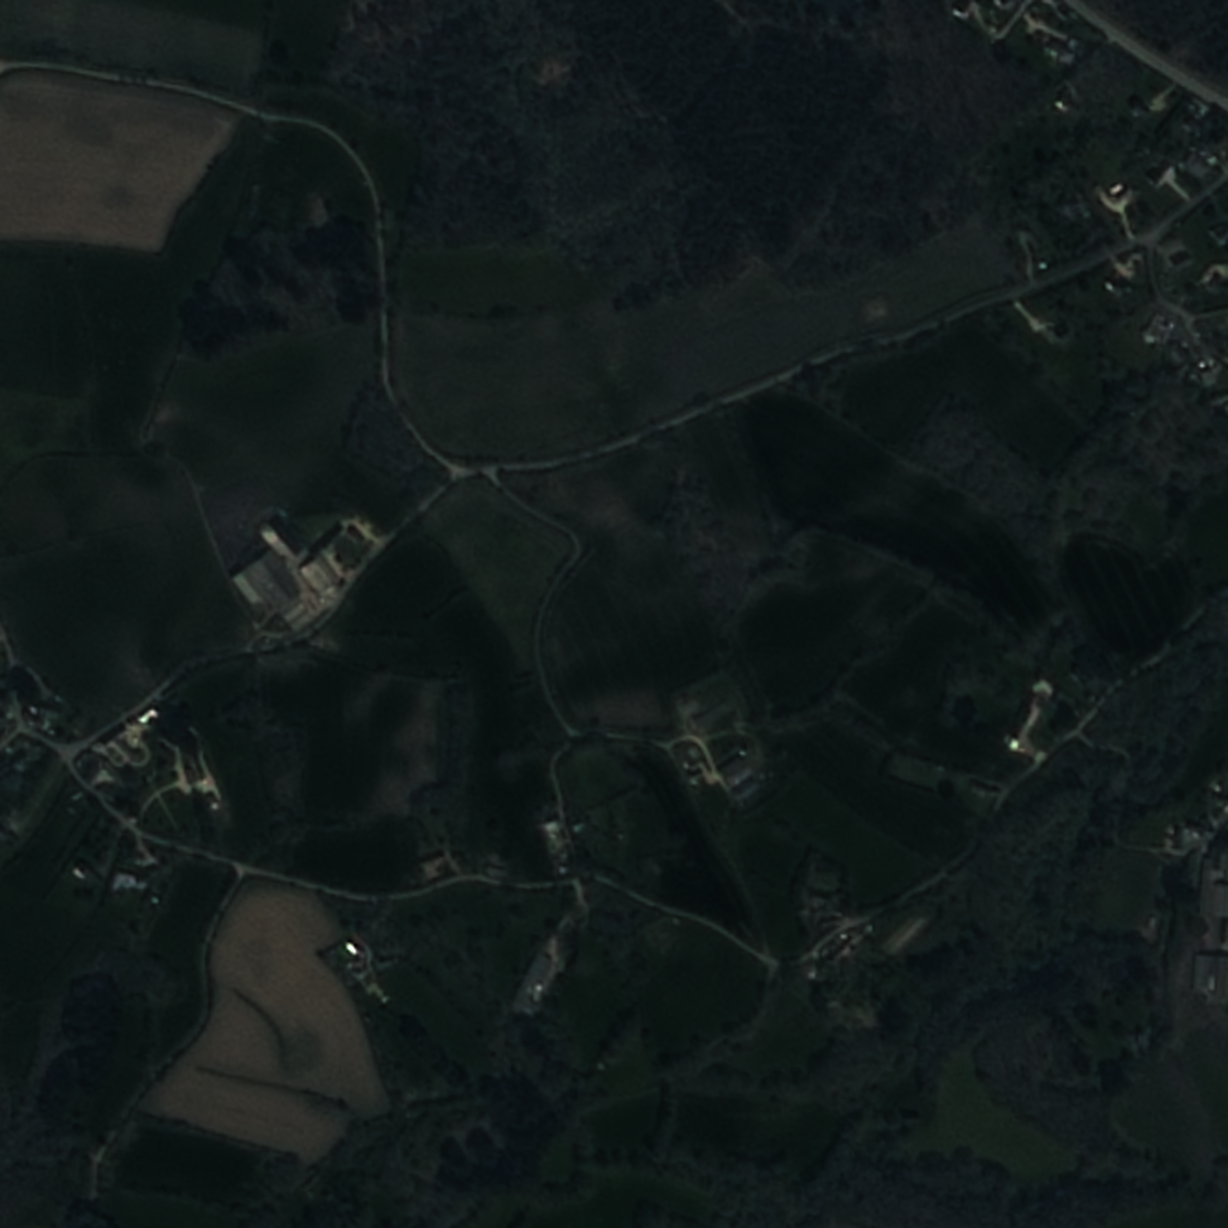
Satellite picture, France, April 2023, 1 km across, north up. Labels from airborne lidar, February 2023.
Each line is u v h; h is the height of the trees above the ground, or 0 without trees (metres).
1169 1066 0
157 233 0
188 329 17
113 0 0
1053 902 13
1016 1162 0
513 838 0
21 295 0
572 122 11
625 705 0
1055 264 9
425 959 0
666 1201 0
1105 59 14
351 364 0
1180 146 6
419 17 8
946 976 20
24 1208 0
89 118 0
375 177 0
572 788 0
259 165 0
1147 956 12
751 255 10
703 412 9
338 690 0
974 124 12
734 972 0
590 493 0
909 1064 7
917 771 0
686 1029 0
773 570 11
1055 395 9
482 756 0
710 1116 0
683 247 17
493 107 21
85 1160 6
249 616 0
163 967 8
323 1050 0
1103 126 7
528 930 0
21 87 0
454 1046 0
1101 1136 12
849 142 17
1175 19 24
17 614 0
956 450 9
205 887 0
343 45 12
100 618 0
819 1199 19
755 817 0
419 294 0
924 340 8
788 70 17
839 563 0
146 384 0
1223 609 22
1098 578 0
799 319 0
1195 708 11
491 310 0
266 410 0
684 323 0
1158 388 13
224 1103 0
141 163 0
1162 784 10
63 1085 18
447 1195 13
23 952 0
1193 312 6
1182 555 0
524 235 13
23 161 0
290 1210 0
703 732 0
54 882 0
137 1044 0
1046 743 0
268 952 0
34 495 0
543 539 0
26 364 0
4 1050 0
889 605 0
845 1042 11
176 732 19
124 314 0
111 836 10
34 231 0
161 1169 0
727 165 16
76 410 0
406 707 0
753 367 0
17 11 0
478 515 0
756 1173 15
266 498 0
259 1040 0
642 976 12
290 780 0
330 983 0
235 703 6
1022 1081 15
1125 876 0
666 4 12
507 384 0
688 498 7
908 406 0
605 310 0
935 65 11
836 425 0
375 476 11
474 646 0
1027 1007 15
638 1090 0
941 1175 21
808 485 0
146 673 0
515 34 15
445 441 0
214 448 0
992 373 0
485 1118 11
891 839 0
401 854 0
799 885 9
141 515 0
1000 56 15
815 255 11
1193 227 0
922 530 0
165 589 0
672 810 0
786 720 13
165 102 0
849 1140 11
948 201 8
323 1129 0
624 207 12
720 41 15
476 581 0
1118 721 8
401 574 0
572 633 0
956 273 0
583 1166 14
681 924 0
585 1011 0
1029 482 11
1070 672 0
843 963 11
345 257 18
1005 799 0
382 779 0
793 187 12
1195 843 0
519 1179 21
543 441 0
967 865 10
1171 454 8
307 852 0
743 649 0
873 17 6
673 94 14
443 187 17
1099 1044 0
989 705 0
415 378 0
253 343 9
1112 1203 14
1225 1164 9
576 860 7
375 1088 0
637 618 0
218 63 0
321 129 0
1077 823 11
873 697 0
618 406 0
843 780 0
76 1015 17
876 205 19
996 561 0
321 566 0
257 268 10
